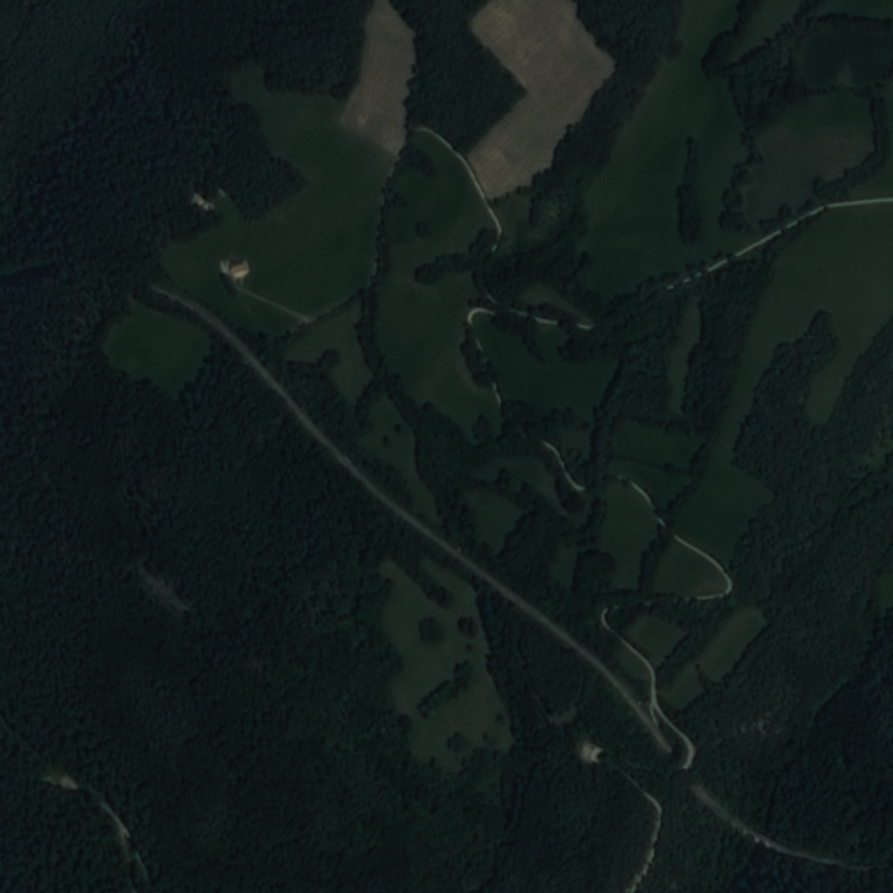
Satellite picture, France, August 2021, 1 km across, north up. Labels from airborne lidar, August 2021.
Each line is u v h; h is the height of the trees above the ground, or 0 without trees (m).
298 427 12
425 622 10
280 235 0
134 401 23
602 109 12
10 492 25
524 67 0
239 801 18
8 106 14
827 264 0
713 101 0
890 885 17
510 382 0
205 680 23
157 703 25
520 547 20
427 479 15
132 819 27
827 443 11
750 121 12
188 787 16
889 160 9
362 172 0
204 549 21
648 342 13
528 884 11
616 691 7
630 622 8
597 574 15
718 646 0
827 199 8
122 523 21
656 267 0
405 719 12
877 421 10
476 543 23
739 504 0
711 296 9
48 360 27
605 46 14
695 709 14
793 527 11
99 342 19
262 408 22
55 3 15
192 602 25
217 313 11
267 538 24
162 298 18
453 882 11
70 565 30
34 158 17
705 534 0
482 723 0
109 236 27
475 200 0
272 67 14
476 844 14
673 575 0
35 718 31
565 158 18
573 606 21
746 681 12
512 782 10
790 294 0
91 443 21
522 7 0
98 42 12
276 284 0
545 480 0
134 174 30
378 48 0
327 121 0
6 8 14
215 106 26
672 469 13
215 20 24
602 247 0
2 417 22
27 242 34
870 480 10
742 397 0
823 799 27
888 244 0
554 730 21
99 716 25
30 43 13
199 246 0
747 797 14
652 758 15
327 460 15
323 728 15
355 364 0
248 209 17
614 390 13
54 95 12
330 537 25
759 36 0
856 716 23
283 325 0
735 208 11
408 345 0
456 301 0
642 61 15
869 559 11
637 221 0
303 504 23
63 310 27
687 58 0
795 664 13
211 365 19
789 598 16
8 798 24
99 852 29
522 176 0
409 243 0
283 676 11
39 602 24
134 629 23
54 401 24
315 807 19
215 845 18
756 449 16
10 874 16
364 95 0
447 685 10
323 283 0
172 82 28
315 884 23
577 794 13
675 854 13
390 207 10
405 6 16
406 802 18
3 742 12
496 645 21
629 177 0
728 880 12
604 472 8
